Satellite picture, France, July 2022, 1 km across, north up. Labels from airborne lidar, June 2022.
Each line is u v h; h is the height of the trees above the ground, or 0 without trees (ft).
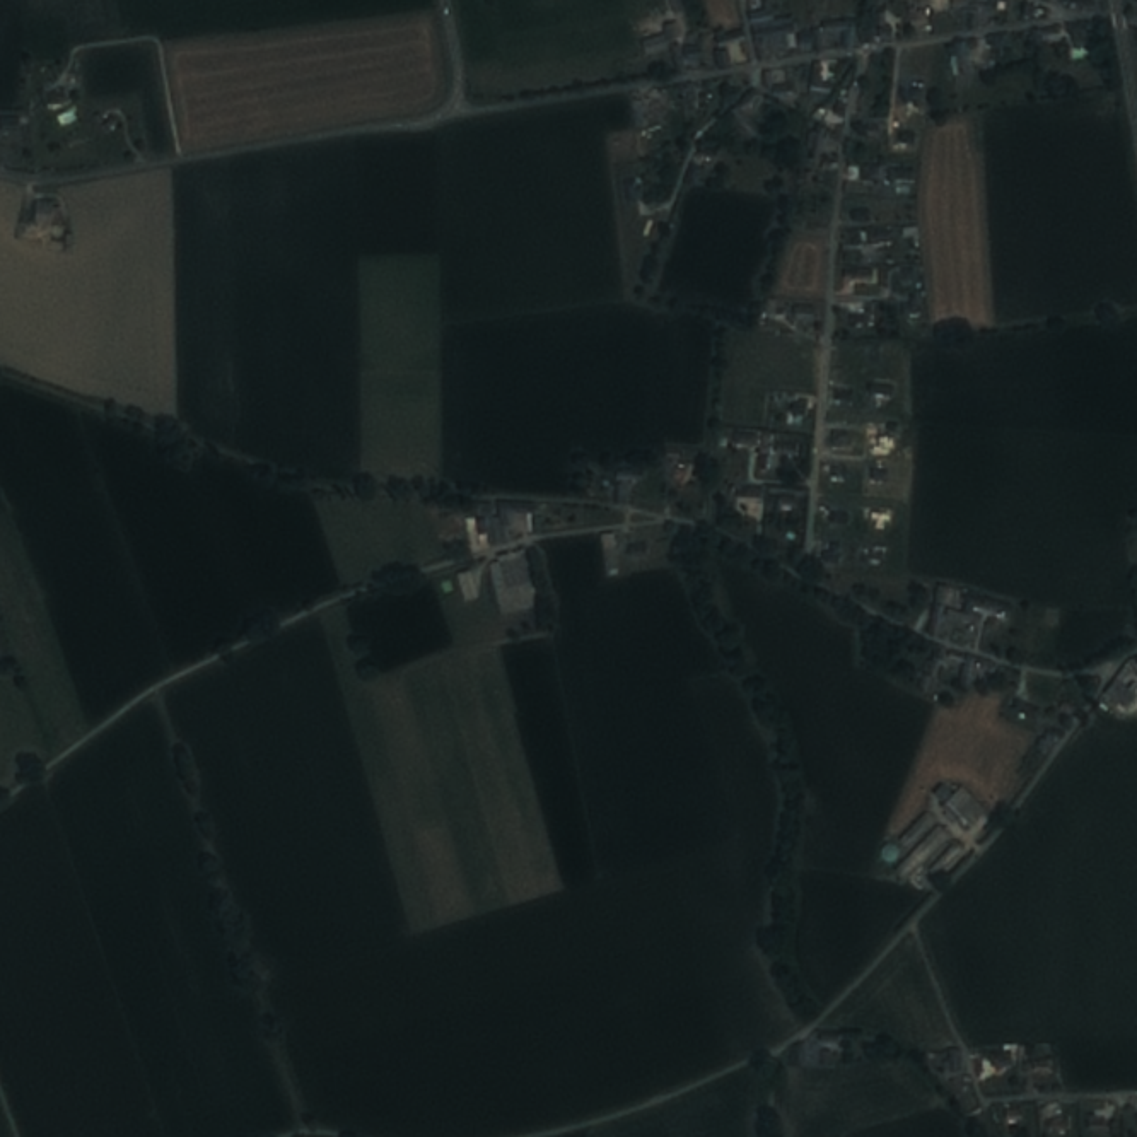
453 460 0
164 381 0
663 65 35
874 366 0
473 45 0
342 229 0
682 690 0
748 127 0
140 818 0
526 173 0
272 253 0
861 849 0
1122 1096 0
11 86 0
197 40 0
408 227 0
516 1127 0
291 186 0
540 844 0
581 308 0
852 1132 0
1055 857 0
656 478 0
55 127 0
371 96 0
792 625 0
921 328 0
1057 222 0
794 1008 61
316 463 0
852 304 0
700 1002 0
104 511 0
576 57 0
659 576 0
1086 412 0
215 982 0
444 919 0
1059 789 0
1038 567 0
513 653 0
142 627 0
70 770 0
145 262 0
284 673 0
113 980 0
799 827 32
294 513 0
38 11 0
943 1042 0
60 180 0
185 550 0
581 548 0
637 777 0
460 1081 0
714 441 0
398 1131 0
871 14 20
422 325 0
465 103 0
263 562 0
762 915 0
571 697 0
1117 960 0
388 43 0
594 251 0
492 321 0
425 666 0
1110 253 0
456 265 0
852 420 0
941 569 0
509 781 0
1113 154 0
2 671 45
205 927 0
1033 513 0
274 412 0
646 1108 0
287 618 0
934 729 0
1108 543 0
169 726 0
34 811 0
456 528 0
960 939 0
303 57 0
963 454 0
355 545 0
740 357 0
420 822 0
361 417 0
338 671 0
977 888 0
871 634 43
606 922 0
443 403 0
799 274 0
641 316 0
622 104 0
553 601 46
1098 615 0
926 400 0
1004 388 0
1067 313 0
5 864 0
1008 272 0
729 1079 0
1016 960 0
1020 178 0
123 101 0
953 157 0
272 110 0
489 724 0
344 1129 0
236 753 0
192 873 0
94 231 0
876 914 0
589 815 0
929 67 0
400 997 0
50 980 0
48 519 0
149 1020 0
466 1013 0
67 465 0
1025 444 0
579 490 47
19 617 0
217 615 0
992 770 0
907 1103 0
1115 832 0
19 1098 0
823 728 0
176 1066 0
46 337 0
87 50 0
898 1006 0
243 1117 0
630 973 0
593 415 0
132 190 0
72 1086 0
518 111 0
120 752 0
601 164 0
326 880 0
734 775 0
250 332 0
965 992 0
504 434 0
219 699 0
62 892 0
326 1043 0
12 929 0
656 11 0
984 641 0
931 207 0
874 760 0
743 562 71
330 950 0
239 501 0
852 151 33
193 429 0
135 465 0
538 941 0
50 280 0
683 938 0
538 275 0
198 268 0
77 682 0
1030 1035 0
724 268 0
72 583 0
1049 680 0
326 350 0
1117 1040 0
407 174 0
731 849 0
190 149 0
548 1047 0
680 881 0
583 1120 0
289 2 0
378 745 0
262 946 0
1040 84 25
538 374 0
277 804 0
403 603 0
